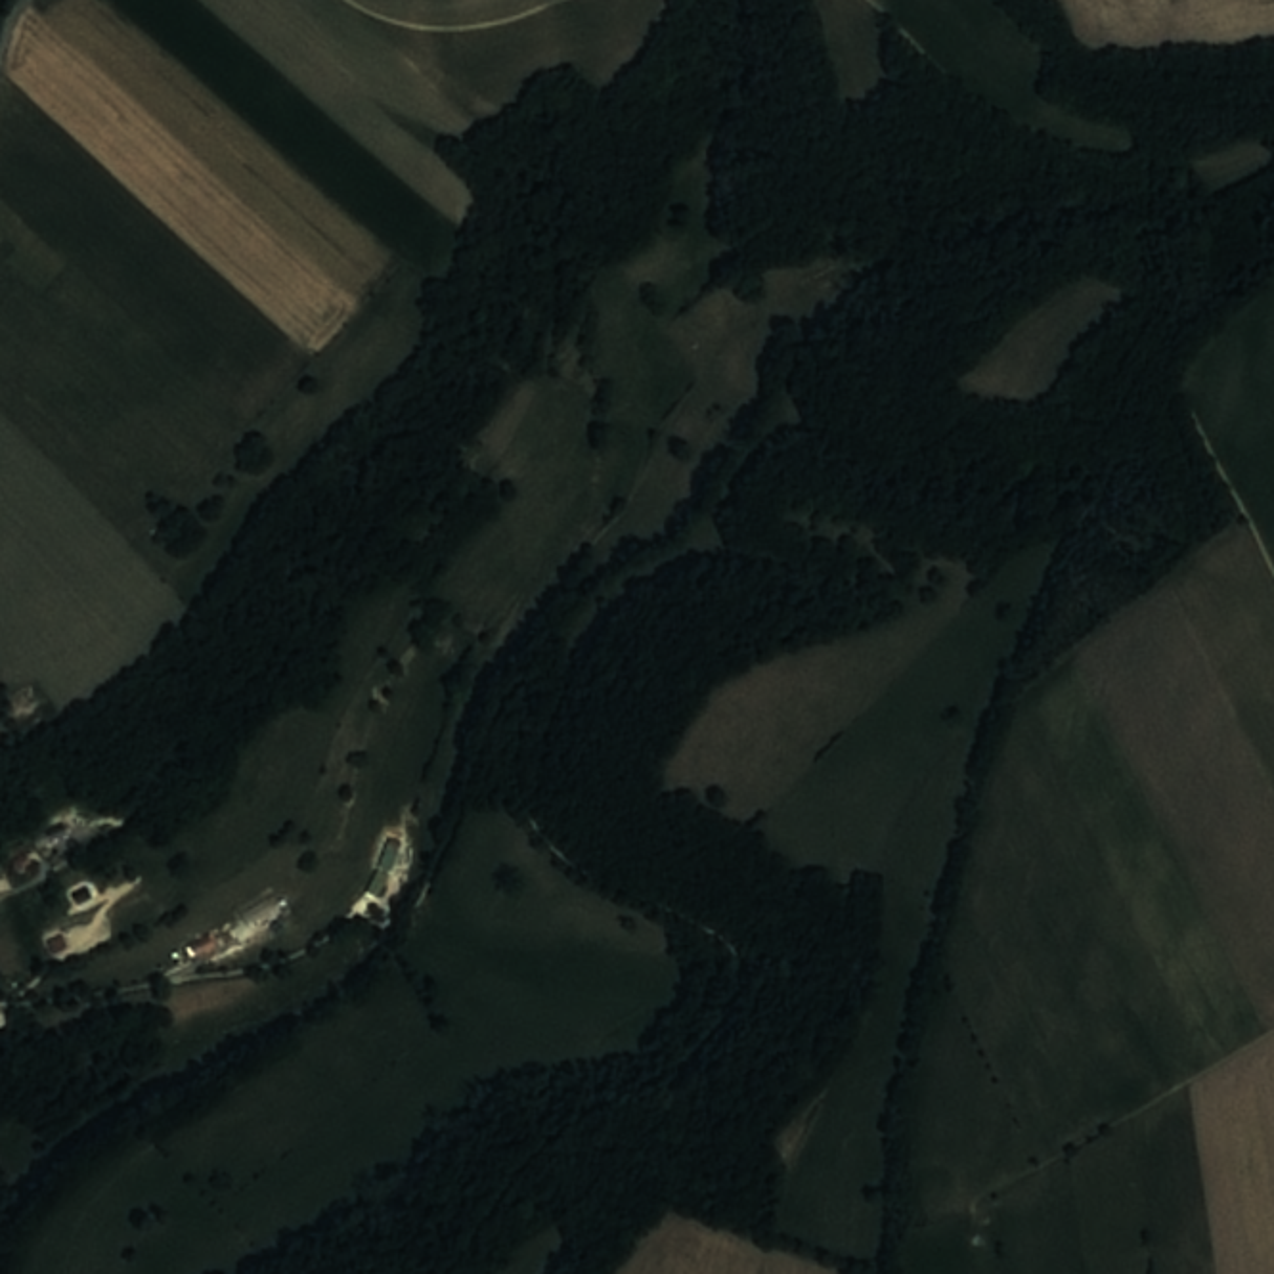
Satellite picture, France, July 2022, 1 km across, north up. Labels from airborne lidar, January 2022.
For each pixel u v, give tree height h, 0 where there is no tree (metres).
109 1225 0
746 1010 23
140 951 0
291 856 0
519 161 29
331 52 0
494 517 15
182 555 14
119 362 0
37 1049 20
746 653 18
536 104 15
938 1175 0
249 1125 0
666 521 0
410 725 0
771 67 23
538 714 22
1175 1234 0
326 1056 0
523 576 0
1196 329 17
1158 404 15
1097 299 0
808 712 0
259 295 0
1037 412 15
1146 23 0
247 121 0
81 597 0
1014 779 0
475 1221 18
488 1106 21
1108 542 23
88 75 0
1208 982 0
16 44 0
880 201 21
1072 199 25
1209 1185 0
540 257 32
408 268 0
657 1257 0
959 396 17
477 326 22
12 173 0
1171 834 0
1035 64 0
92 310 0
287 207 0
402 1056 0
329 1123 0
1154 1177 0
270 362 0
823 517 6
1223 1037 0
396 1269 22
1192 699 0
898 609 10
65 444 0
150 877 0
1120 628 0
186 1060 0
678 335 0
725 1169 19
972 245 24
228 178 0
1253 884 0
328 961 0
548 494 0
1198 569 0
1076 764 0
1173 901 0
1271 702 0
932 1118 0
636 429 0
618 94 16
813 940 18
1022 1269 0
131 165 0
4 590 0
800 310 0
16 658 0
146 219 0
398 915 15
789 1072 29
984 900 0
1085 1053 0
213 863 0
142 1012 10
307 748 0
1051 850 0
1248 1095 0
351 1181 0
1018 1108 0
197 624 16
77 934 0
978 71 0
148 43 0
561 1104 16
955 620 0
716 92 23
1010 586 0
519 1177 22
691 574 21
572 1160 20
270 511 21
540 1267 0
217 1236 0
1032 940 0
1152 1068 0
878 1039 0
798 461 15
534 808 12
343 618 22
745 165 31
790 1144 0
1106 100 19
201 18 0
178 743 17
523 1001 0
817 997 23
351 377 0
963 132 21
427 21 0
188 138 0
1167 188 20
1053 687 0
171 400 0
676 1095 26
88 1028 21
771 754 0
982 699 0
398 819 0
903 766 0
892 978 0
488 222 21
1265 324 0
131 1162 0
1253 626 0
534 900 0
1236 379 0
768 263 22
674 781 0
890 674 0
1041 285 17
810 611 20
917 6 0
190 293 0
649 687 19
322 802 0
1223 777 0
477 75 0
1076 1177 0
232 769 16
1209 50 14
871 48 0
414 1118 0
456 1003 0
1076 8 0
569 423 0
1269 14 0
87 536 0
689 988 13
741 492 17
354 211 0
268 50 0
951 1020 0
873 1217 0
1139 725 0
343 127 0
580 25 0
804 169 18
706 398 0
